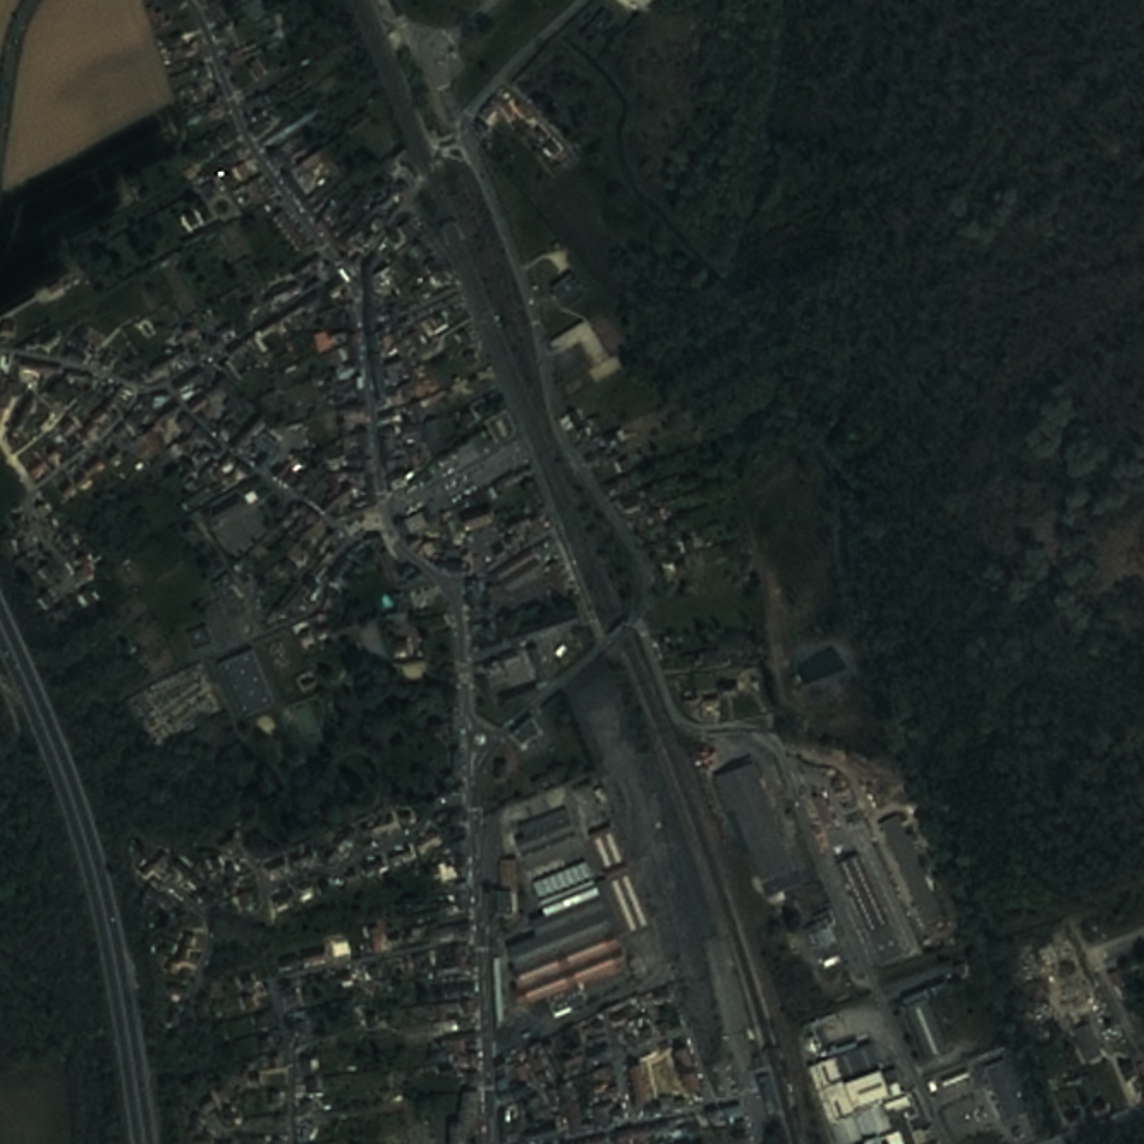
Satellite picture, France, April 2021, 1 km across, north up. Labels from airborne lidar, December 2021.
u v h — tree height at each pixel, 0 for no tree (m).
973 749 24
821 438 23
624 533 0
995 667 37
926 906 0
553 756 0
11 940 27
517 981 0
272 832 0
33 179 0
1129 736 26
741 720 0
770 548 0
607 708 0
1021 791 36
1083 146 17
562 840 0
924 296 14
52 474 0
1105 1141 30
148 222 12
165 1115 6
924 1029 0
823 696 17
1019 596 31
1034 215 27
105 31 0
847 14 28
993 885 27
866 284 25
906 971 0
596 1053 0
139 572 0
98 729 20
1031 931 0
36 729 0
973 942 13
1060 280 17
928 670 33
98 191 0
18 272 0
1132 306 6
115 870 10
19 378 0
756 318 25
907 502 25
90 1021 20
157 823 22
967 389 25
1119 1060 0
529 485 10
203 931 0
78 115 0
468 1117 0
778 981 8
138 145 0
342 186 0
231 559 5
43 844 22
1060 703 22
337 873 0
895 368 17
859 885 0
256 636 0
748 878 0
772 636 0
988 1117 0
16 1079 0
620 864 0
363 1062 7
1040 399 21
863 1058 0
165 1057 12
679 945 0
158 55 0
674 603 0
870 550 32
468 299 0
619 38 11
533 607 8
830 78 30
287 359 0
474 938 0
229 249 0
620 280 16
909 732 30
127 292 0
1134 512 21
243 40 0
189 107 5
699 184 27
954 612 20
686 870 0
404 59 12
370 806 17
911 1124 0
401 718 9
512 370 0
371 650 0
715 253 17
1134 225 18
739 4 23
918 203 29
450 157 0
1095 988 0
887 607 26
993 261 9
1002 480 26
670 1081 0
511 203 0
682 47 0
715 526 7
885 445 9
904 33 21
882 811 0
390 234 10
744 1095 0
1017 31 7
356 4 0
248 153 0
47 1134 0
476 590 0
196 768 20
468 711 0
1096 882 34
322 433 0
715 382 28
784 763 0
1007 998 9
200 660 0
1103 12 21
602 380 0
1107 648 21
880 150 21
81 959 21
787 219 14
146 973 5
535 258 0
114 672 19
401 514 0
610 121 15
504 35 0
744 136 18
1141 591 21
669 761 0
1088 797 33
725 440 15
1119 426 21
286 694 0
